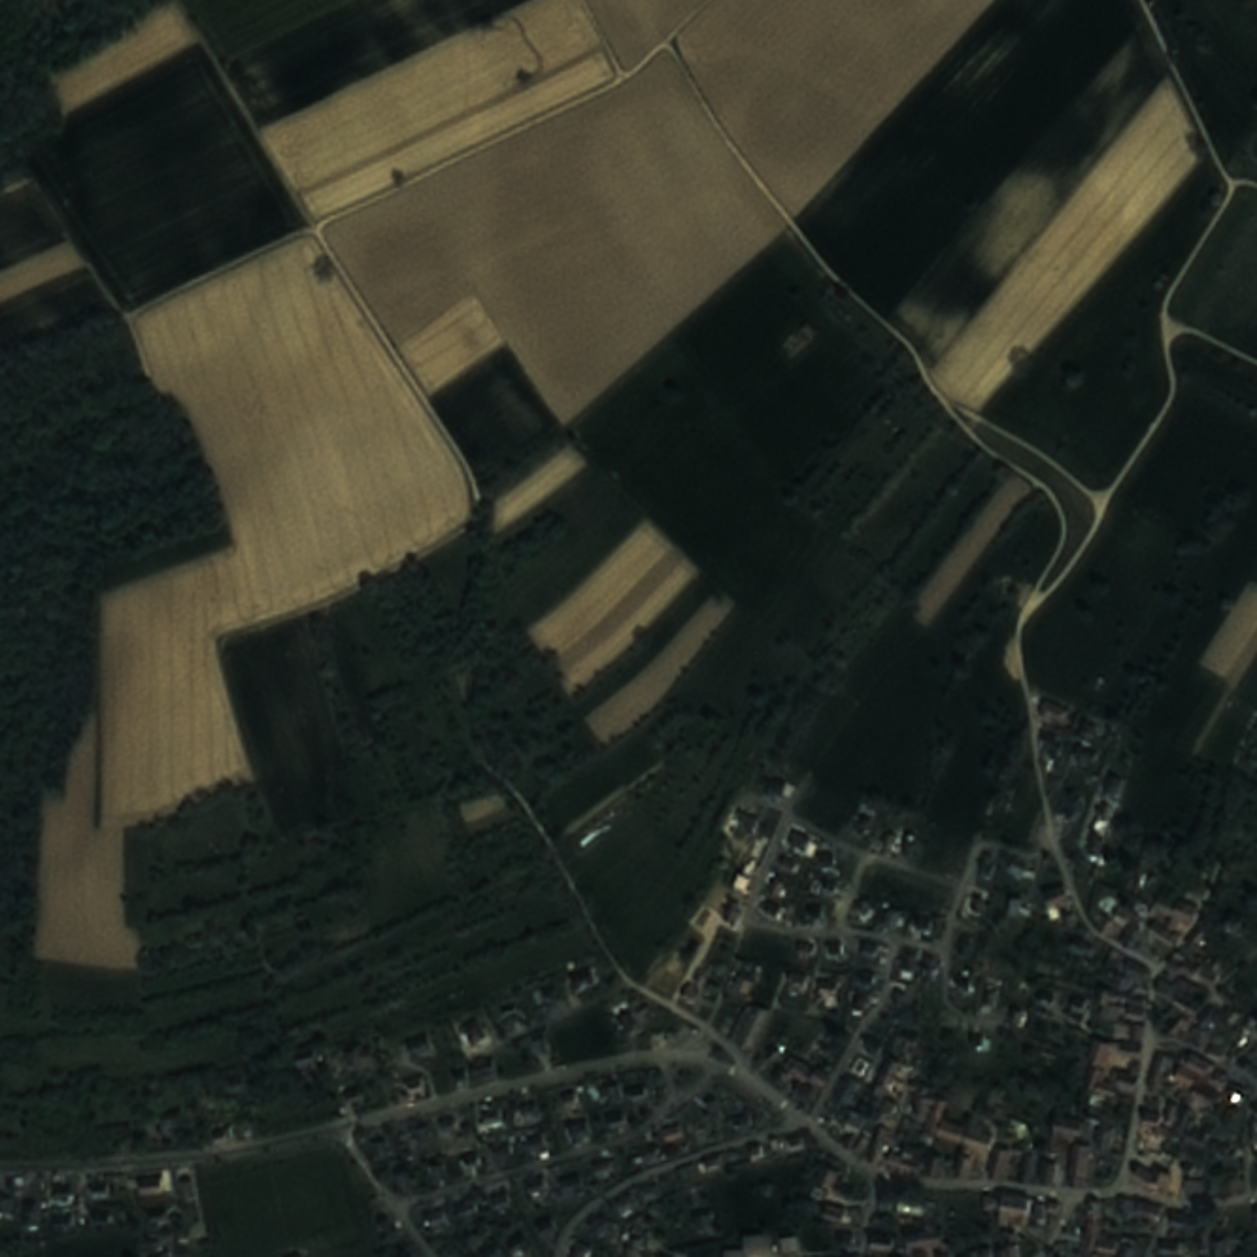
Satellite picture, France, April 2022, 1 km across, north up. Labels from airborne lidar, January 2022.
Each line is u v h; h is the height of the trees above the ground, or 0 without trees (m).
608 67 0
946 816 0
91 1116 9
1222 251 0
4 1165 0
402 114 0
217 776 0
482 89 0
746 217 0
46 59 20
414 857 0
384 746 12
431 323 0
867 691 0
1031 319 0
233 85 0
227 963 6
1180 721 0
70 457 21
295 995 12
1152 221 0
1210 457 0
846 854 0
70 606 18
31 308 0
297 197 0
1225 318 0
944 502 8
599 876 0
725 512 0
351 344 0
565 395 0
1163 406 0
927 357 0
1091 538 0
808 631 0
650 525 0
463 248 0
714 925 0
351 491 0
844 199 0
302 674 0
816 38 0
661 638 0
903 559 7
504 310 0
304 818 0
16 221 0
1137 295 0
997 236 0
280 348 0
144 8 21
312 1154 0
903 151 0
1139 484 0
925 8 0
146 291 0
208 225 0
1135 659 0
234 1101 6
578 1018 0
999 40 0
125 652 0
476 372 0
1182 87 0
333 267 10
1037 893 0
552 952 0
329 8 0
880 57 0
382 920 0
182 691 0
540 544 9
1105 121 0
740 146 0
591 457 0
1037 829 0
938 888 0
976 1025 0
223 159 0
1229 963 0
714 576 0
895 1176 0
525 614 0
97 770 0
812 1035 0
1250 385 0
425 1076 0
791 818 0
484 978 0
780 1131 0
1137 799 0
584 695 9
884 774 0
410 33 0
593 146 0
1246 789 15
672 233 0
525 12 0
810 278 0
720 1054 13
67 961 0
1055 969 0
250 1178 0
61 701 15
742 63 0
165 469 25
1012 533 9
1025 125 0
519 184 0
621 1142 0
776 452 0
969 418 0
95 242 0
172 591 0
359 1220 0
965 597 0
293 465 0
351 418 0
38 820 15
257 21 0
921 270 0
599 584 0
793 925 0
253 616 0
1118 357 0
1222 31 0
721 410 0
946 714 0
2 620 23
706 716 7
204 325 0
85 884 0
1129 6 0
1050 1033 9
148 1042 6
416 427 0
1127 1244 0
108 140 0
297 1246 0
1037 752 0
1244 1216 0
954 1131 0
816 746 0
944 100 0
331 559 0
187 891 0
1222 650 0
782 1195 0
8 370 18
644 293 0
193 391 0
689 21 0
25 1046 9
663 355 0
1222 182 0
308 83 0
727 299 0
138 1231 16
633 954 0
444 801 8
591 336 0
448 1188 0
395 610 11
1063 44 0
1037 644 0
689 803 0
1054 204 0
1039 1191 0
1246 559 0
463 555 0
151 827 8
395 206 0
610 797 0
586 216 0
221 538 0
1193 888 0
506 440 0
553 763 13
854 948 0
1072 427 0
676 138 0
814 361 0
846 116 0
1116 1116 13
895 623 0
